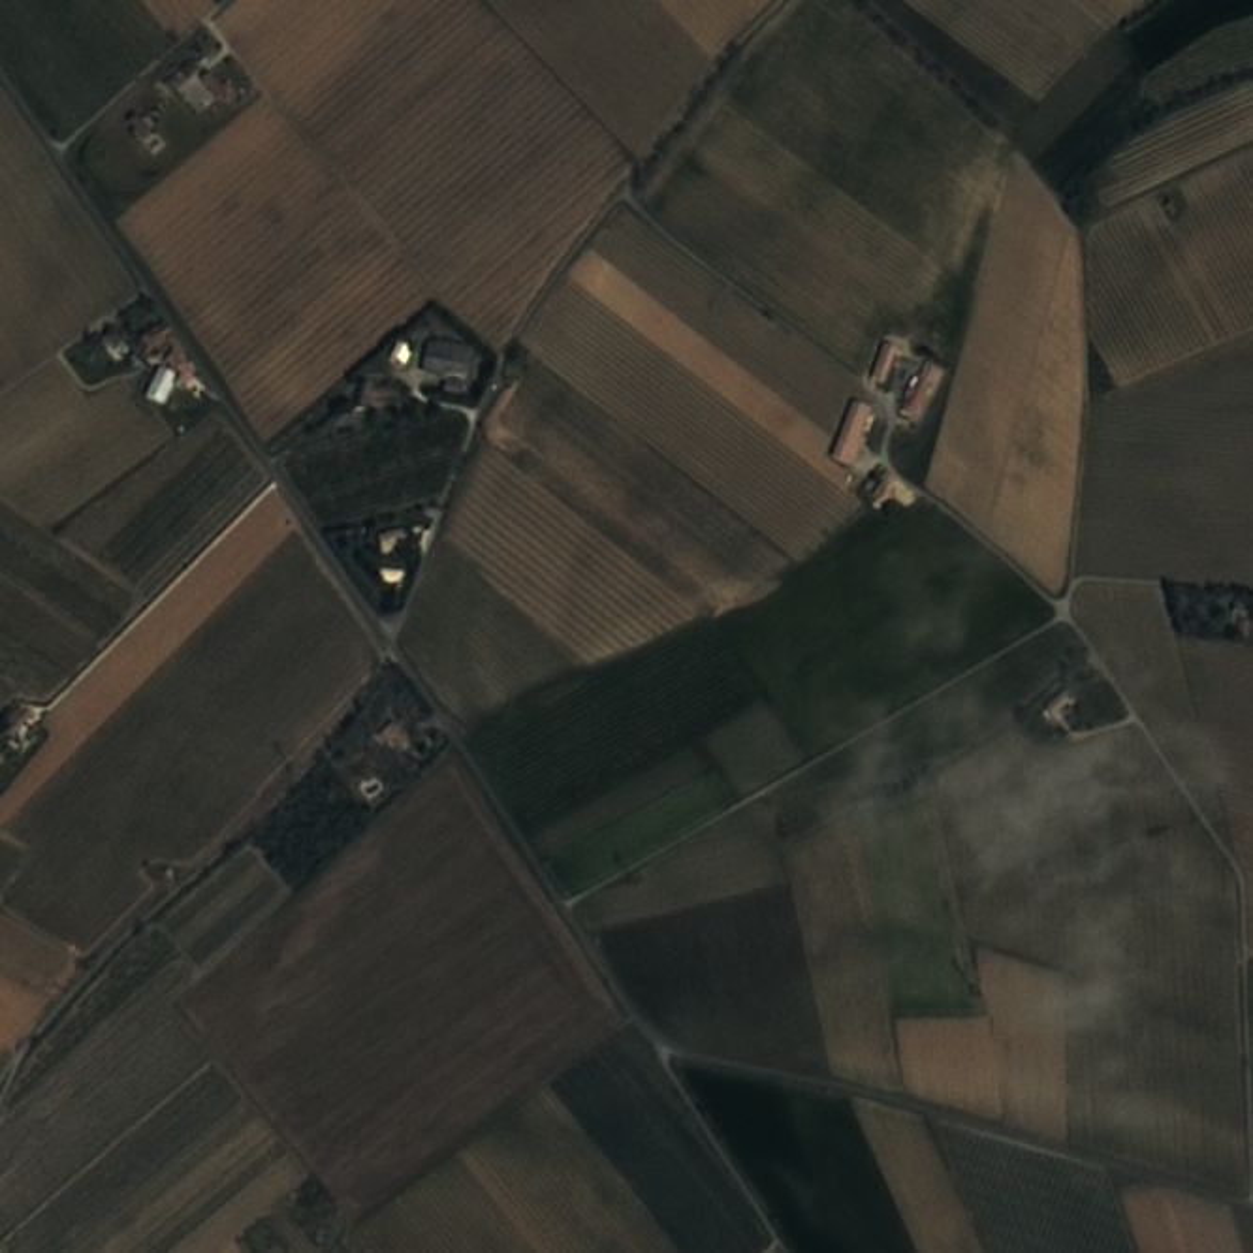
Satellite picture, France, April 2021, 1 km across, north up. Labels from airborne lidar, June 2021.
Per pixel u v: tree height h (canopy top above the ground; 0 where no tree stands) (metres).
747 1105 0
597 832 0
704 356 0
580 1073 6
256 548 0
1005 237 0
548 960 0
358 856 0
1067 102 0
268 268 0
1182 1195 0
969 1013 0
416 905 0
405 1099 0
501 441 0
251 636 0
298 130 0
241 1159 0
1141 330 0
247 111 0
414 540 13
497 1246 0
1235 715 0
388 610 10
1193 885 0
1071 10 0
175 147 0
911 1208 0
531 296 0
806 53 0
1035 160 0
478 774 0
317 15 0
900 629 0
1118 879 0
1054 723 5
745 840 0
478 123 0
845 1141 0
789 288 0
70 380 0
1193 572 0
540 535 0
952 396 0
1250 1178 0
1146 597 0
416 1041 0
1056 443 0
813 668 0
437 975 0
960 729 0
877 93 0
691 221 0
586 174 0
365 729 14
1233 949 0
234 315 0
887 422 0
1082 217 9
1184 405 0
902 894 0
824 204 0
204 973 0
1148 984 0
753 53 0
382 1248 0
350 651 0
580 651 0
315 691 0
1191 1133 0
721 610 0
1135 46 0
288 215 0
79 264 0
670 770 0
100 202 0
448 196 0
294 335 0
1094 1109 0
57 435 0
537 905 0
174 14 0
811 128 0
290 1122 0
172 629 0
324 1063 0
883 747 0
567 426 0
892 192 0
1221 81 11
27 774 0
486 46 0
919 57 7
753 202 0
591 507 0
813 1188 0
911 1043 0
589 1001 0
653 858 0
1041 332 0
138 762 0
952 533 0
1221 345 0
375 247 0
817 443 0
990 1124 0
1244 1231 0
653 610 0
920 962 0
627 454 0
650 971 0
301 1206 0
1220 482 0
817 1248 0
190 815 0
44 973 0
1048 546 0
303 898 0
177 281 0
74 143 0
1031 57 0
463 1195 0
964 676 0
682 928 0
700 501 0
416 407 10
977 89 0
